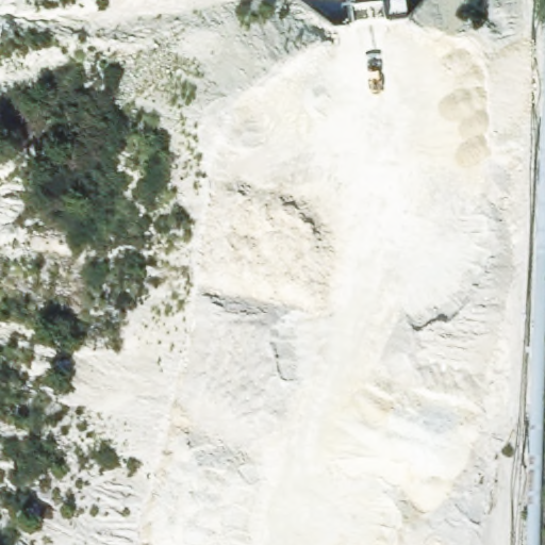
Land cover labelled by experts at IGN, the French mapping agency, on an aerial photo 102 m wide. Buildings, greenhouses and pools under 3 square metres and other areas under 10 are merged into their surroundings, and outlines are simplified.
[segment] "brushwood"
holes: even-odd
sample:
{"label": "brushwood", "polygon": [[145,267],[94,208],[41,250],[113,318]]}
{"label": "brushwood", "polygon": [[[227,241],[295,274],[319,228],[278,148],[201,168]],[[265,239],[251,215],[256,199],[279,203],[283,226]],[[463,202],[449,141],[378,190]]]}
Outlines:
{"label": "brushwood", "polygon": [[83,283],[102,290],[104,277],[109,275],[109,258],[92,258],[85,262],[81,270]]}
{"label": "brushwood", "polygon": [[111,447],[111,441],[102,441],[100,449],[89,451],[94,453],[98,466],[102,473],[117,468],[117,451]]}
{"label": "brushwood", "polygon": [[49,385],[60,394],[70,394],[75,390],[72,377],[49,366],[47,373],[34,379],[34,387]]}
{"label": "brushwood", "polygon": [[6,507],[0,509],[0,545],[15,545],[19,534],[38,532],[43,528],[43,522],[51,517],[51,507],[38,500],[34,494],[32,498],[28,498],[23,511],[9,511]]}
{"label": "brushwood", "polygon": [[53,34],[49,30],[19,28],[13,32],[11,40],[0,43],[0,55],[28,55],[36,49],[47,49],[51,45]]}
{"label": "brushwood", "polygon": [[66,123],[53,123],[47,132],[38,134],[36,138],[30,136],[19,111],[4,96],[0,96],[0,164],[11,162],[15,153],[19,153],[21,149],[34,147],[34,160],[43,162],[47,147],[57,147],[64,143],[72,145],[77,141],[77,132],[68,132]]}
{"label": "brushwood", "polygon": [[243,28],[264,23],[270,17],[285,19],[290,15],[290,6],[294,0],[236,0],[236,17]]}
{"label": "brushwood", "polygon": [[49,396],[43,394],[36,396],[34,404],[28,407],[28,373],[21,373],[19,368],[23,364],[34,362],[36,345],[51,347],[55,353],[66,353],[75,358],[75,351],[79,351],[85,343],[87,332],[81,328],[72,332],[66,319],[55,319],[53,324],[43,321],[43,309],[38,309],[36,302],[26,294],[6,296],[0,302],[0,319],[26,324],[34,330],[32,336],[13,332],[9,336],[9,343],[0,345],[0,464],[4,460],[13,462],[11,481],[15,483],[15,490],[32,490],[34,485],[40,485],[43,490],[47,490],[51,481],[55,481],[57,477],[62,479],[68,470],[66,456],[57,449],[57,441],[53,439],[53,434],[43,439],[40,434],[45,426],[55,426],[60,419],[66,417],[68,407],[64,404],[55,413],[45,413]]}

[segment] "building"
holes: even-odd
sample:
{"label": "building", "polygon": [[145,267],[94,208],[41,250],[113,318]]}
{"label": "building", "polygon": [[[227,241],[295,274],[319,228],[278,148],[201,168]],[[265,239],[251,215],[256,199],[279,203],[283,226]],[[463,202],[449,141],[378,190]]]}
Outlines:
{"label": "building", "polygon": [[345,23],[375,17],[409,19],[411,15],[407,11],[404,0],[353,0],[349,4]]}

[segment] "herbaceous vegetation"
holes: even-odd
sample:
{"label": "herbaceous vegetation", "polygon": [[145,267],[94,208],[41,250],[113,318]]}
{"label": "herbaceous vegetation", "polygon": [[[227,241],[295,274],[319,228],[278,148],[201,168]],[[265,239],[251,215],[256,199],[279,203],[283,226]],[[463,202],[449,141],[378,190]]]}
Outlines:
{"label": "herbaceous vegetation", "polygon": [[[175,243],[192,241],[194,219],[181,204],[166,215],[158,215],[155,211],[160,204],[177,196],[177,187],[168,183],[170,166],[175,162],[175,153],[170,151],[170,136],[164,128],[160,128],[160,115],[155,111],[141,109],[134,115],[128,115],[117,104],[119,83],[123,77],[121,64],[111,62],[104,68],[102,92],[85,87],[83,51],[79,49],[75,51],[70,62],[40,70],[36,81],[21,81],[11,85],[4,92],[4,96],[19,111],[30,136],[36,138],[38,134],[47,132],[53,123],[66,123],[68,132],[77,132],[77,141],[72,145],[64,143],[57,147],[47,147],[43,162],[34,160],[34,147],[21,149],[19,153],[15,153],[11,162],[15,164],[17,177],[21,177],[23,181],[23,211],[13,219],[13,224],[26,232],[64,232],[70,253],[60,255],[55,251],[43,251],[36,258],[0,260],[0,302],[6,296],[26,294],[36,302],[38,309],[43,309],[47,300],[57,300],[60,307],[68,307],[81,319],[81,328],[87,332],[85,343],[104,336],[109,341],[109,349],[119,351],[121,328],[128,321],[128,311],[136,309],[143,302],[143,296],[149,290],[162,285],[160,277],[147,275],[147,266],[155,266],[158,258],[143,255],[143,249],[151,247],[151,236],[147,236],[149,226],[166,236],[166,253],[175,251]],[[132,155],[128,164],[143,172],[132,198],[126,198],[123,194],[130,177],[117,170],[119,153],[123,149]],[[92,258],[109,258],[109,275],[104,277],[102,290],[83,283],[81,270],[85,262]]]}
{"label": "herbaceous vegetation", "polygon": [[75,456],[79,460],[79,468],[89,470],[98,466],[94,453],[89,451],[77,447]]}

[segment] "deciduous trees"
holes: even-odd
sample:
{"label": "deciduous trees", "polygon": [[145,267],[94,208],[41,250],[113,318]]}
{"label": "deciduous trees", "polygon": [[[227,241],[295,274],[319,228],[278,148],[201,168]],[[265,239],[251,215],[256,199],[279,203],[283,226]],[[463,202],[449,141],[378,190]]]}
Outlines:
{"label": "deciduous trees", "polygon": [[23,511],[28,498],[32,498],[34,494],[32,490],[15,490],[0,490],[0,509],[6,507],[9,511]]}

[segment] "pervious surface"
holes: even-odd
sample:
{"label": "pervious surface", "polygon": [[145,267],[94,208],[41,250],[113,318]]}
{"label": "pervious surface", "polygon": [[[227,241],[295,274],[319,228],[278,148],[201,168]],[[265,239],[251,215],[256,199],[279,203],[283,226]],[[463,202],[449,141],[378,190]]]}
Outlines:
{"label": "pervious surface", "polygon": [[126,198],[132,198],[143,172],[128,164],[132,155],[123,149],[119,153],[117,170],[130,177],[123,194]]}
{"label": "pervious surface", "polygon": [[[175,243],[175,251],[166,253],[166,236],[149,226],[147,236],[151,236],[151,247],[143,249],[143,255],[158,258],[155,266],[147,266],[147,275],[160,277],[162,285],[149,290],[143,296],[143,302],[136,309],[128,311],[128,321],[121,328],[119,351],[109,349],[109,341],[104,336],[85,343],[79,351],[75,351],[75,358],[66,353],[55,353],[51,347],[36,345],[34,362],[23,364],[19,368],[21,373],[28,373],[28,407],[34,404],[36,396],[43,394],[49,396],[45,413],[55,413],[64,404],[68,407],[66,417],[60,419],[55,426],[45,426],[40,434],[43,439],[53,434],[53,439],[57,441],[57,449],[66,456],[68,470],[62,479],[57,477],[55,481],[51,481],[47,490],[43,490],[40,485],[34,485],[32,490],[34,494],[38,500],[51,507],[51,517],[43,522],[43,528],[38,532],[19,534],[15,545],[545,545],[545,0],[404,0],[407,11],[411,15],[409,19],[375,17],[345,23],[349,4],[353,0],[294,0],[290,6],[290,15],[285,19],[270,17],[264,23],[243,28],[236,17],[236,0],[0,0],[0,43],[11,40],[13,32],[19,28],[49,30],[53,34],[51,45],[47,49],[36,49],[28,55],[0,55],[0,96],[4,96],[4,92],[11,85],[21,81],[36,81],[40,70],[70,62],[75,51],[79,49],[83,51],[85,87],[102,92],[104,68],[111,62],[121,64],[123,77],[119,83],[117,104],[128,115],[134,115],[141,109],[155,111],[160,115],[160,128],[164,128],[170,136],[170,151],[175,153],[175,162],[170,166],[168,183],[177,187],[177,196],[160,204],[155,211],[158,215],[166,215],[181,204],[194,219],[192,241]],[[75,390],[70,394],[60,394],[49,385],[34,387],[34,379],[47,373],[49,366],[72,377]],[[79,460],[75,456],[77,447],[89,451],[100,449],[102,441],[111,441],[111,447],[117,451],[117,468],[102,473],[98,466],[89,470],[79,468]]]}
{"label": "pervious surface", "polygon": [[13,219],[23,211],[23,181],[21,177],[17,177],[15,164],[11,162],[0,164],[0,260],[36,258],[43,251],[55,251],[60,255],[70,253],[64,232],[26,232],[13,224]]}
{"label": "pervious surface", "polygon": [[4,460],[0,464],[0,490],[15,490],[15,483],[11,481],[13,462]]}
{"label": "pervious surface", "polygon": [[55,319],[66,319],[72,332],[81,328],[81,319],[68,307],[60,307],[57,300],[47,300],[43,309],[43,321],[53,324]]}
{"label": "pervious surface", "polygon": [[0,345],[9,343],[9,336],[13,332],[32,336],[34,330],[26,324],[0,319]]}

